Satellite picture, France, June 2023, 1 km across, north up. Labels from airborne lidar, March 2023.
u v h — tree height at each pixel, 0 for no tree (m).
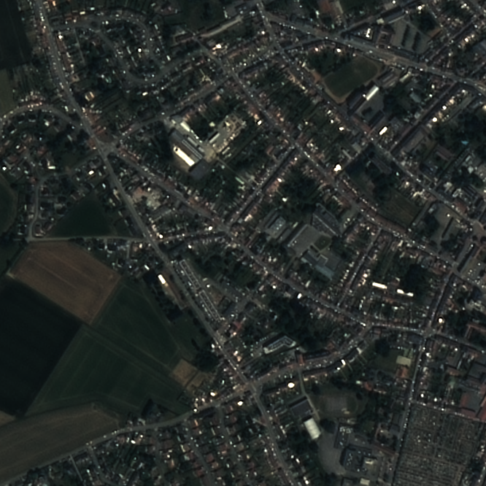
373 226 0
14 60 0
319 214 0
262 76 0
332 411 0
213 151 0
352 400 0
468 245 0
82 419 0
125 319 0
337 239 13
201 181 0
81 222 0
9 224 0
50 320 0
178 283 0
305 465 12
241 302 0
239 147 0
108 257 0
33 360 0
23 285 0
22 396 0
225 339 0
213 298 0
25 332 0
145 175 0
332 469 0
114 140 0
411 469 0
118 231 0
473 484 0
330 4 0
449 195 0
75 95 15
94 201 0
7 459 0
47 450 0
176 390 0
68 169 0
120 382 0
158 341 0
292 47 0
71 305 0
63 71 0
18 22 0
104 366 0
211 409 6
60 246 0
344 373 0
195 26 0
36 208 0
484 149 10
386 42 0
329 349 0
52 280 0
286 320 14
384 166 0
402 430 0
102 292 0
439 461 0
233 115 0
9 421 0
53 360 0
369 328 0
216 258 9
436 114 0
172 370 0
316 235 0
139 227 0
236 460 0
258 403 0
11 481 0
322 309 0
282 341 0
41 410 0
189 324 0
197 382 0
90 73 8
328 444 0
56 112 0
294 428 8
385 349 22
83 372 0
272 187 0
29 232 0
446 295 0
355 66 0
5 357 0
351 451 0
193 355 0
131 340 0
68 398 0
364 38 0
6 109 0
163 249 16
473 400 0
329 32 9
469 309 0
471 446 0
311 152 0
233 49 0
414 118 0
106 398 0
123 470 0
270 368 0
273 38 0
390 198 0
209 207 0
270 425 0
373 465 0
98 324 0
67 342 0
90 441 0
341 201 0
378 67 0
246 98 0
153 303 0
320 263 0
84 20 0
